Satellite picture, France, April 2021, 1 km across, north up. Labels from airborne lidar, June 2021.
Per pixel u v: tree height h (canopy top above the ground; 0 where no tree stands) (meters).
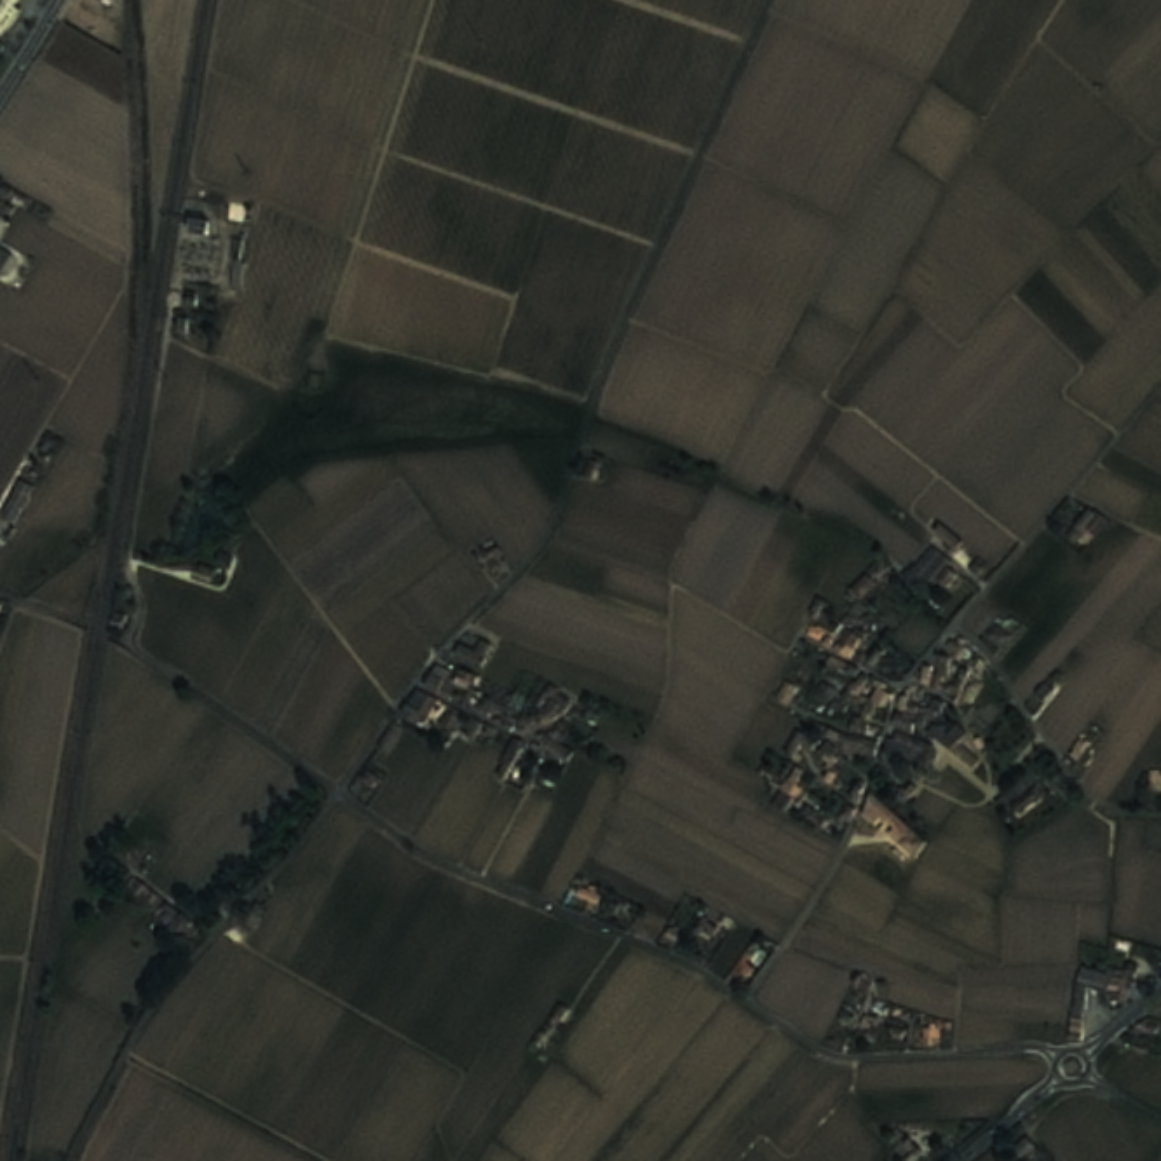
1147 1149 0
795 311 0
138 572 0
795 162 0
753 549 0
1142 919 0
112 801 0
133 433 0
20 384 0
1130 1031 6
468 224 0
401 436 0
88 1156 0
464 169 0
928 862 0
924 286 0
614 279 0
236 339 0
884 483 0
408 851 13
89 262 0
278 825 14
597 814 0
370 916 0
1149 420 0
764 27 0
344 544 0
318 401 0
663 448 0
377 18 0
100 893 20
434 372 0
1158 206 0
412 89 0
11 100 0
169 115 0
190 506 11
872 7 0
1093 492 0
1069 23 0
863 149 0
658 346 0
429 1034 0
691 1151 0
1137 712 0
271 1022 0
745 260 0
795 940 0
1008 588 0
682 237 0
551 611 0
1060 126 0
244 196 0
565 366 0
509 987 0
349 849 0
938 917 0
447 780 0
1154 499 0
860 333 0
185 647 0
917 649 0
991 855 0
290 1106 0
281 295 0
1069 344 0
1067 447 0
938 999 0
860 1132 0
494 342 0
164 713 0
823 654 8
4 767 0
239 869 15
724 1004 0
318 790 15
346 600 0
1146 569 0
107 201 0
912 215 0
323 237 0
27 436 0
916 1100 0
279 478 0
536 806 0
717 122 0
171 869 0
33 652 0
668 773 0
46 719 0
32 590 0
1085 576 0
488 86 0
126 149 0
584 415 0
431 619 0
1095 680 0
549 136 0
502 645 0
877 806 0
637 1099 0
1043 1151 10
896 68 0
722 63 0
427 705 0
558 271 0
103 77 0
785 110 0
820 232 0
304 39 0
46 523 0
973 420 0
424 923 0
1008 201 0
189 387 0
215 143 0
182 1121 0
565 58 0
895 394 0
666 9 0
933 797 0
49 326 0
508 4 0
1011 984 0
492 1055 0
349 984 0
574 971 0
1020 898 0
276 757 0
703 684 0
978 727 0
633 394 0
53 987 11
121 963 0
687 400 0
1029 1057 0
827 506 0
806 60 0
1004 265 0
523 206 0
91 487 0
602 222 0
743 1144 0
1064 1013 0
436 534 0
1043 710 0
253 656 0
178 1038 0
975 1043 0
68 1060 0
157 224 0
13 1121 0
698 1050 0
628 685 0
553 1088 0
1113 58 0
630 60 0
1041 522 0
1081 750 0
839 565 0
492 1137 0
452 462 0
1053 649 0
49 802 0
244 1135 0
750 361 0
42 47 0
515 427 0
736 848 0
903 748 0
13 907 0
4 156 0
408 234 0
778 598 0
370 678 0
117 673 0
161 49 0
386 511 0
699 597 0
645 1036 0
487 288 0
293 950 0
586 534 0
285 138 0
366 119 0
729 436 0
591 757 6
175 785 0
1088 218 0
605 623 0
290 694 0
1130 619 0
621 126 0
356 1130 0
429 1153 0
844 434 0
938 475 0
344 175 0
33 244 0
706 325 0
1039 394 0
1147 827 0
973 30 0
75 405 0
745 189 0
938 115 0
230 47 0
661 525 0
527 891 0
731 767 0
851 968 0
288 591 0
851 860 0
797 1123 0
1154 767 0
